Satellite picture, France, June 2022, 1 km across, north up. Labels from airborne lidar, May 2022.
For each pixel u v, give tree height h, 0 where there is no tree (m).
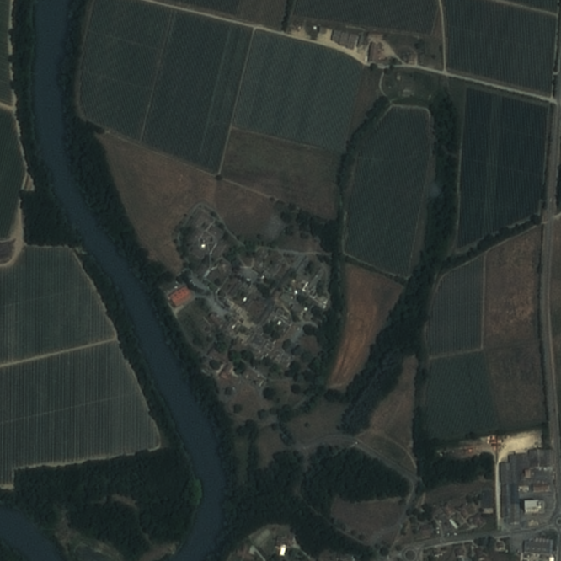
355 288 0
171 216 0
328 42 0
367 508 0
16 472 10
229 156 0
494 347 0
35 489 14
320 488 16
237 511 21
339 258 11
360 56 0
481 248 16
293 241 0
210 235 0
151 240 0
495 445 0
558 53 7
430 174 0
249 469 10
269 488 16
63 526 0
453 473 17
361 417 22
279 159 0
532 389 0
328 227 17
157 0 0
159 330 0
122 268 0
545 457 0
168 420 24
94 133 10
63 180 0
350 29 0
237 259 12
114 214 12
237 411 9
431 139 0
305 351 6
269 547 0
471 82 7
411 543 0
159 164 0
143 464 17
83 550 0
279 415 8
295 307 0
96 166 12
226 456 23
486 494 0
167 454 6
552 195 0
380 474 24
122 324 25
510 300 0
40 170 22
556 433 0
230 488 17
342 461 19
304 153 0
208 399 28
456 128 11
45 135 0
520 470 0
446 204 12
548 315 0
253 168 0
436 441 15
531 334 0
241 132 0
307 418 0
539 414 0
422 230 0
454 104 7
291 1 12
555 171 0
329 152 0
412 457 0
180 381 0
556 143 0
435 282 13
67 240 19
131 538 16
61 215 36
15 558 7
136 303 0
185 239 5
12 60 18
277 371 13
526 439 0
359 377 19
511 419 0
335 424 0
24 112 17
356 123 0
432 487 9
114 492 19
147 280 19
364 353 0
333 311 14
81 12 13
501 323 0
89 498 19
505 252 0
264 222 0
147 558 0
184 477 18
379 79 0
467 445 0
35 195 12
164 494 12
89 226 0
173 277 10
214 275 0
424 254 17
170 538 15
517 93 6
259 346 0
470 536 0
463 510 0
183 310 0
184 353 23
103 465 13
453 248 0
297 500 16
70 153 23
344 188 20
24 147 11
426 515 12
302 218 15
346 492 15
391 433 0
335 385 0
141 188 0
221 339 16
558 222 0
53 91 0
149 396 20
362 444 0
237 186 0
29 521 0
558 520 0
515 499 0
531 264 0
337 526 19
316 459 15
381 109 18
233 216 0
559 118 0
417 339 17
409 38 0
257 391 0
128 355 16
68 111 8
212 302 0
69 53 30
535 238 0
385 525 0
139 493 17
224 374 0
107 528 19
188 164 0
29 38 25
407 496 11
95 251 0
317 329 15
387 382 22
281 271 0
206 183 0
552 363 0
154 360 0
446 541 0
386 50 0
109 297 24
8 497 17
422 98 0
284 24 11
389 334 24
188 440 0
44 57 0
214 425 22
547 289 0
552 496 0
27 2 24
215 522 0
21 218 0
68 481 10
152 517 12
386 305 0
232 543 20
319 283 7
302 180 0
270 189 0
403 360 21
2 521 0
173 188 0
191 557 0
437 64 0
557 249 0
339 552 12
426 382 10
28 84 15
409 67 0
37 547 0
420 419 14
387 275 8
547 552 0
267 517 16
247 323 0
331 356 10
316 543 15
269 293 13
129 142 0
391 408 0
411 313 20
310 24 0
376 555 17
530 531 0
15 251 0
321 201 0
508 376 0
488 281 0
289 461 7
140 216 0
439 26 0
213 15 0
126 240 21
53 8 0
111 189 17
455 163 12
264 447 0
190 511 31
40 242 18
